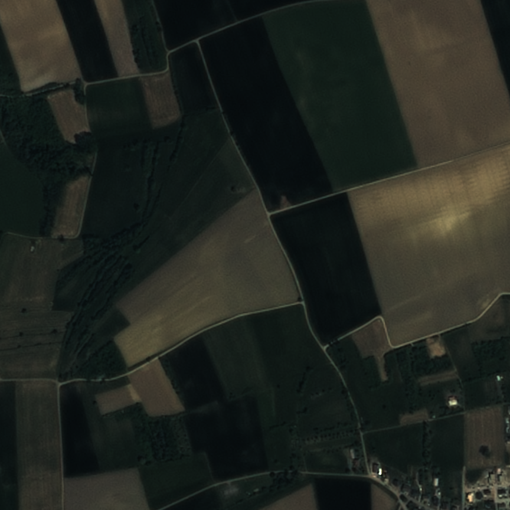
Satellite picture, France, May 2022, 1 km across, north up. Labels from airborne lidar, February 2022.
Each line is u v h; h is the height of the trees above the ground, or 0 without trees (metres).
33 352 0
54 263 0
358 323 0
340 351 10
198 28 0
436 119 0
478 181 0
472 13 0
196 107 0
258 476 0
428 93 0
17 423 0
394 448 0
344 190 0
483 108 0
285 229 0
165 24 0
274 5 0
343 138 0
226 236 0
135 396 0
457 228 0
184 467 0
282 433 0
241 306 0
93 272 0
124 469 0
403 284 0
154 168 0
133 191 0
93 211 0
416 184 0
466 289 0
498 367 0
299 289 0
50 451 0
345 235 0
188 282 0
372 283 0
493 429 0
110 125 0
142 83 0
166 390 0
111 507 0
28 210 0
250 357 0
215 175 0
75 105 0
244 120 0
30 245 0
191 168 0
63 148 22
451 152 0
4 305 0
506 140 0
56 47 0
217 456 0
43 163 27
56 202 30
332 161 0
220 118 0
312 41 0
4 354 0
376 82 0
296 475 15
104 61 0
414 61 0
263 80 0
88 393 0
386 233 0
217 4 0
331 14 0
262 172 0
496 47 0
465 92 0
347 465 0
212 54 0
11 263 0
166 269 0
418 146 0
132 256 0
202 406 0
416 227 0
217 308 0
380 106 0
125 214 0
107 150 0
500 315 0
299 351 0
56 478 0
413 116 0
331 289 0
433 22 0
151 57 8
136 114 0
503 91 0
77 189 0
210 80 0
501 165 0
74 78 0
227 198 0
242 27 0
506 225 0
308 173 0
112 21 0
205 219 0
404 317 0
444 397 0
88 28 0
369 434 0
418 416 0
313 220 0
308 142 0
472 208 0
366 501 0
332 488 0
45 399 0
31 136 6
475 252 0
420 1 0
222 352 0
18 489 0
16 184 0
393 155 0
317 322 0
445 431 0
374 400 0
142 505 0
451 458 0
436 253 0
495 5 0
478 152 0
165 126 0
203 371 0
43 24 0
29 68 0
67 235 0
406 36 0
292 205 0
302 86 0
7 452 0
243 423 0
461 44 0
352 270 0
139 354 0
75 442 0
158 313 0
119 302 0
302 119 0
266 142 0
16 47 0
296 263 0
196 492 0
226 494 0
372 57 0
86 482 0
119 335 0
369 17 0
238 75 0
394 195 0
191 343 0
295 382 0
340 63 0
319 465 0
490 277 0
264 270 0
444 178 0
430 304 0
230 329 0
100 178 0
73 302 0
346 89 0
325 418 0
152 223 0
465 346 0
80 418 0
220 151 0
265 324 0
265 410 0
